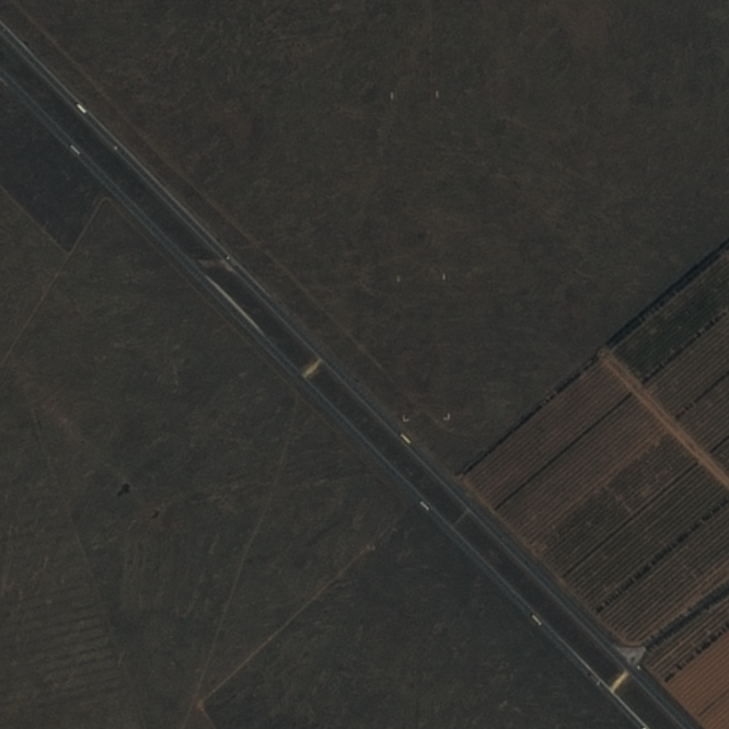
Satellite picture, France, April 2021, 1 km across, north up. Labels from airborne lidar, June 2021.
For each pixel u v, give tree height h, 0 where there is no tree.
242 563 0
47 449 0
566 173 0
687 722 0
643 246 0
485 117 0
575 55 0
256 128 0
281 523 0
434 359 0
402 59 0
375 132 0
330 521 0
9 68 0
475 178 0
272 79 0
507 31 0
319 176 0
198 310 0
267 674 0
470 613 0
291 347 0
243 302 0
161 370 0
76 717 0
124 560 0
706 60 0
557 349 0
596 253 0
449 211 0
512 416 0
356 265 0
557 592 0
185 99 0
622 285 0
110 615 0
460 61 0
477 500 0
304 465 0
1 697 0
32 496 0
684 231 0
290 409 0
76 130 0
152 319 0
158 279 0
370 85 0
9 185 0
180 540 0
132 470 0
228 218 0
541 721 0
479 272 0
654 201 0
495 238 0
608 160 0
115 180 0
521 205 0
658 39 0
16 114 0
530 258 0
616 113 0
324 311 0
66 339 0
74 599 0
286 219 0
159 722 0
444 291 0
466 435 0
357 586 0
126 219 0
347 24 0
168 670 0
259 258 0
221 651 0
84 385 0
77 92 0
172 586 0
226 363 0
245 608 0
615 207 0
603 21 0
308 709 0
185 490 0
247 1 0
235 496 0
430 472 0
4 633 0
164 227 0
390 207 0
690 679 0
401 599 0
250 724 0
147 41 0
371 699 0
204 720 0
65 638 0
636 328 9
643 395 0
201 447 0
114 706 0
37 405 0
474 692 0
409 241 0
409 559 0
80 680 0
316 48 0
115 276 0
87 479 0
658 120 0
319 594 0
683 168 0
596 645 0
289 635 0
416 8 0
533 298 0
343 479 0
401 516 0
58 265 0
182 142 0
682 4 0
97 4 0
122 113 0
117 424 0
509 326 0
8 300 0
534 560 0
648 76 0
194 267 0
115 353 0
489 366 0
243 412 0
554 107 0
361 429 0
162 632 0
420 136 0
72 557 0
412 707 0
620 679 0
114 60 0
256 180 0
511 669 0
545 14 0
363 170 0
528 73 0
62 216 0
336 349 0
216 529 0
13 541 0
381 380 0
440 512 0
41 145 0
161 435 0
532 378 0
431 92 0
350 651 0
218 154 0
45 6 0
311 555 0
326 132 0
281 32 0
